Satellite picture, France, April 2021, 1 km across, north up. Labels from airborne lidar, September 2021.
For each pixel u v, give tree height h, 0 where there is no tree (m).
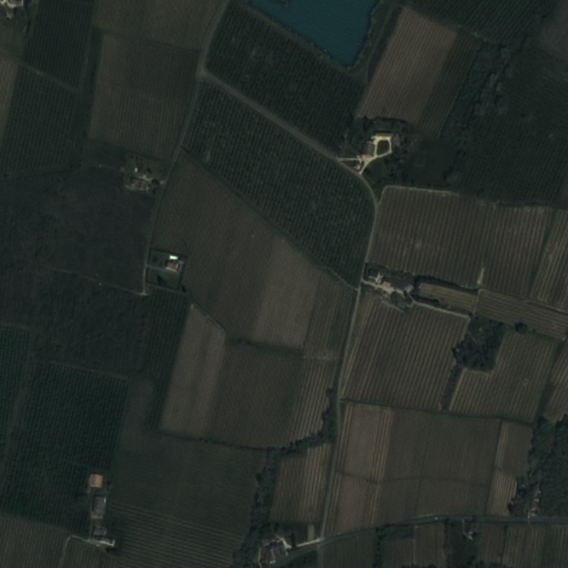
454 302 0
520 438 0
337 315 0
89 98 0
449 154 0
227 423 0
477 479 0
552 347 0
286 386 0
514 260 0
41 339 0
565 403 0
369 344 0
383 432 0
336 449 0
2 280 0
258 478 0
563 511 19
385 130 0
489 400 0
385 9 0
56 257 0
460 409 0
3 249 0
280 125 0
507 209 0
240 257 0
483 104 12
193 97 0
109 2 0
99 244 0
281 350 0
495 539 0
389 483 0
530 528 0
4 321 0
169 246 0
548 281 0
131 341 0
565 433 18
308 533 0
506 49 16
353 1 0
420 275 0
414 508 0
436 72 0
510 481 0
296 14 0
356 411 0
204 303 0
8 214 0
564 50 0
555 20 0
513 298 0
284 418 0
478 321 8
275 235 0
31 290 0
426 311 0
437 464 0
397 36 0
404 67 0
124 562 0
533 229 0
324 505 0
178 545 0
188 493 0
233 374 0
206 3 0
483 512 0
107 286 0
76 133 0
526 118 16
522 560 0
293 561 0
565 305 0
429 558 0
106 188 0
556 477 19
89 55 0
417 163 0
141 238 0
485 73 7
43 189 0
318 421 0
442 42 0
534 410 0
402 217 0
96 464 6
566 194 0
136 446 0
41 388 5
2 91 0
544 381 0
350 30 0
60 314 0
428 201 0
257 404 0
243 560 16
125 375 0
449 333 0
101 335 0
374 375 0
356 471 0
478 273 0
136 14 0
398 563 0
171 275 0
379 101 0
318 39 0
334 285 0
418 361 0
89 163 0
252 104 0
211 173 0
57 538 0
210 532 0
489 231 0
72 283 0
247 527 0
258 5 0
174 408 0
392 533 13
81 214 0
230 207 0
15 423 0
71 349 0
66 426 6
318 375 0
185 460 0
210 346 0
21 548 0
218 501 0
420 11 0
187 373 0
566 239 0
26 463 6
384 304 0
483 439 0
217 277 0
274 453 15
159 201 0
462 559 0
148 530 0
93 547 6
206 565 0
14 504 6
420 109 0
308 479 0
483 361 21
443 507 0
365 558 0
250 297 0
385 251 0
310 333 0
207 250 0
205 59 0
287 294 0
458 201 0
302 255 0
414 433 0
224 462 0
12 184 0
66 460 5
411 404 0
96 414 6
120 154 0
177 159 0
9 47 0
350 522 0
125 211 0
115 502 0
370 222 0
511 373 0
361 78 0
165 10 0
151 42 0
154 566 0
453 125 12
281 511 0
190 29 0
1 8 0
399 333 0
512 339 0
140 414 0
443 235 0
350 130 16
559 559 0
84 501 20
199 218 0
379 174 0
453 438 0
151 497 0
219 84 0
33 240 0
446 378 0
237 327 0
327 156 0
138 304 0
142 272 0
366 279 7
